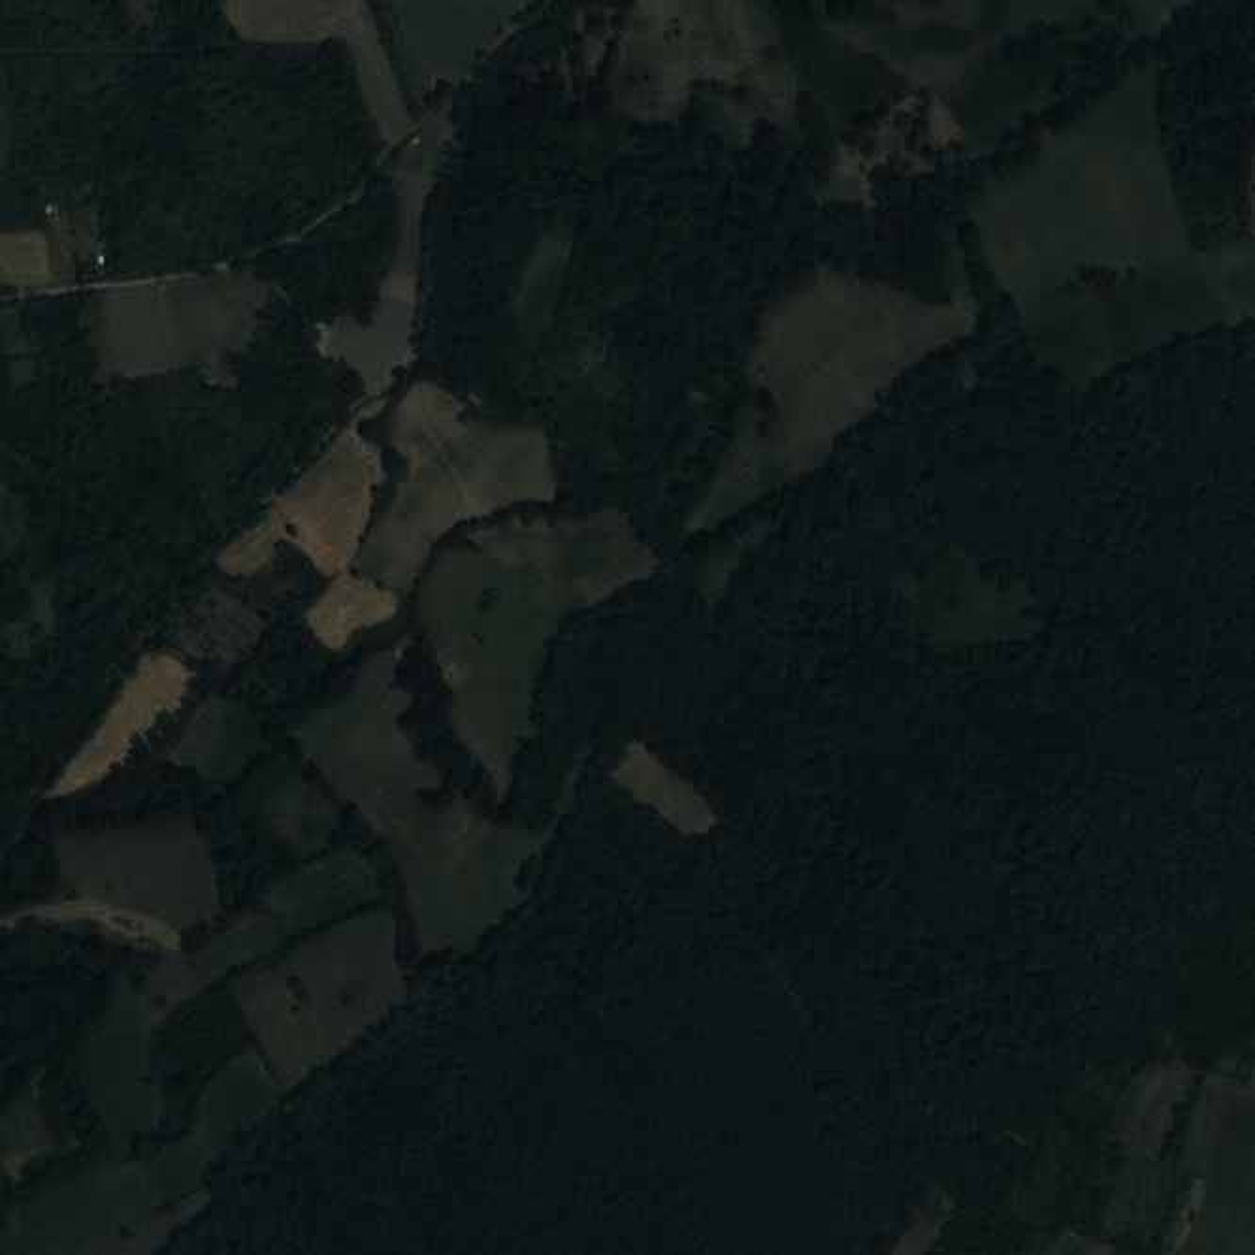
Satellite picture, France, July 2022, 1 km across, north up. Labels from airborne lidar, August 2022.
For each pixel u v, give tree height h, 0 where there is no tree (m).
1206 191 16
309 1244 19
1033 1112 9
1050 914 17
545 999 9
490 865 0
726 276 6
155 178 10
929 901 16
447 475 0
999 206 0
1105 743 13
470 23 0
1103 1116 7
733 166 20
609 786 11
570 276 8
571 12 13
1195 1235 0
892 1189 11
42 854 7
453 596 0
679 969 14
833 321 0
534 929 9
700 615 20
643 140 26
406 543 0
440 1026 11
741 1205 11
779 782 17
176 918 0
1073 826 20
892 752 16
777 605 13
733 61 0
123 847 0
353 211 11
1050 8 0
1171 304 0
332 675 22
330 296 11
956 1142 11
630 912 14
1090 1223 8
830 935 14
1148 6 0
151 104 10
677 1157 11
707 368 16
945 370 19
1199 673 16
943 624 0
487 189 24
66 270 0
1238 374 19
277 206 10
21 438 11
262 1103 0
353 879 0
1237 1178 0
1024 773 24
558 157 6
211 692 12
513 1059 13
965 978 22
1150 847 13
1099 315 0
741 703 18
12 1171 0
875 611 18
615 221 14
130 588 8
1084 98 15
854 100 0
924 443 20
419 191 0
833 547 17
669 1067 14
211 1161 0
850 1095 14
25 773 8
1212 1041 8
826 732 20
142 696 0
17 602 6
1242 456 16
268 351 9
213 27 12
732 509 0
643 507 13
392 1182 18
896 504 14
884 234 19
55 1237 0
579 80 13
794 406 0
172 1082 19
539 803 15
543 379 8
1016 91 0
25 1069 15
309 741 0
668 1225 15
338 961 0
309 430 6
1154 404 11
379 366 0
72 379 8
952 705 19
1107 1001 15
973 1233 6
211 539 9
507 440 0
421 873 0
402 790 0
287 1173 14
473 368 9
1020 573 15
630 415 9
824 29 0
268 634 12
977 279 20
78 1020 18
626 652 18
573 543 0
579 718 14
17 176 7
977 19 0
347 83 11
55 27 8
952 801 14
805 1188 10
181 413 9
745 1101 13
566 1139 14
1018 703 21
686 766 17
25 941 20
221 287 0
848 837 22
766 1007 12
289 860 10
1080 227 0
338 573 0
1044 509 17
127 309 0
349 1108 14
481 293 17
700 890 17
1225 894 7
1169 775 15
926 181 16
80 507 9
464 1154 18
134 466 8
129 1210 0
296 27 0
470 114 12
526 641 0
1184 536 14
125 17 8
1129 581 20
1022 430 19
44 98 8
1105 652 17
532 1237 14
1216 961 7
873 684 14
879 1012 16
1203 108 9
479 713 0
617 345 10
